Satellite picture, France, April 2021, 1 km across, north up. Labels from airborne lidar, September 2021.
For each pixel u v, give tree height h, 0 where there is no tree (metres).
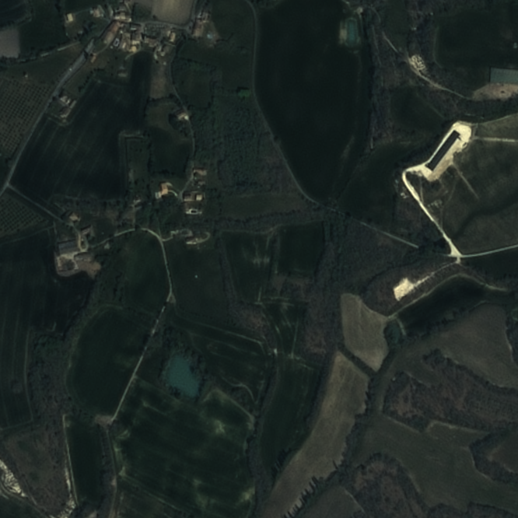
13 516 0
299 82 0
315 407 13
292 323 0
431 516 13
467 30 0
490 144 0
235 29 0
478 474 0
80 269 0
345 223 14
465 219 0
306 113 0
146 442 0
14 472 9
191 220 13
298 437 0
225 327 0
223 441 0
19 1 0
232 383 0
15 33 0
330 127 0
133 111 0
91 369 0
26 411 0
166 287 0
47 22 0
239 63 0
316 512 0
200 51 0
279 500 0
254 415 0
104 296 17
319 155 0
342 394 0
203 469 0
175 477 0
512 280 12
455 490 0
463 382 9
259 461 21
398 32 0
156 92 0
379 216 0
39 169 0
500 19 0
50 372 16
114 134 0
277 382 12
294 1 0
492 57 0
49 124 0
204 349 0
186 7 0
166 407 0
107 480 20
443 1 16
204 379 9
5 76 6
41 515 0
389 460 14
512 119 0
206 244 0
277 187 14
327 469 0
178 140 0
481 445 15
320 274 18
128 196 9
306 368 0
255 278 0
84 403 0
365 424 15
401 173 9
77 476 0
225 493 0
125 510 0
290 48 0
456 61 0
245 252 0
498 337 0
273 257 6
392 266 10
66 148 0
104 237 0
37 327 0
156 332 15
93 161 0
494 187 0
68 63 0
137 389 0
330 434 0
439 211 0
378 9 6
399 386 9
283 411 0
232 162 8
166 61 0
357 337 0
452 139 0
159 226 21
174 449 0
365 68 0
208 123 10
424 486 0
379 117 14
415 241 10
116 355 0
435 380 0
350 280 17
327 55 0
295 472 0
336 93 0
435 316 0
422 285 8
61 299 0
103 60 0
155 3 0
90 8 0
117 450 0
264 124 12
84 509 12
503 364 0
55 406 10
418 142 0
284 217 16
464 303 0
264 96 0
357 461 0
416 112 0
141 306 0
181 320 0
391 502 10
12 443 0
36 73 0
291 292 8
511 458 0
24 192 0
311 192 0
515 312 0
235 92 5
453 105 13
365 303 14
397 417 13
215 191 9
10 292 0
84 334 0
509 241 0
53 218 0
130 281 0
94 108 0
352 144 0
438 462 0
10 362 0
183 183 0
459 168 0
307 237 0
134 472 0
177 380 0
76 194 0
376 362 0
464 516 11
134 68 0
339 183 0
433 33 16
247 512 0
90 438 0
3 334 0
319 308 16
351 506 0
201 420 0
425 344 0
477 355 0
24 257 0
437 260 10
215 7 0
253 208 0
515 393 10
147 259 0
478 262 0
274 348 11
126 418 0
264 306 0
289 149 0
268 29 0
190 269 0
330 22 0
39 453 0
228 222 16
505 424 10
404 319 0
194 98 0
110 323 0
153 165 15
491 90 0
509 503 0
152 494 0
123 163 0
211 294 0
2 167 0
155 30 0
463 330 0
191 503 0
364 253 16
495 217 0
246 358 0
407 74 13
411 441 0
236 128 7
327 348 13
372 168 0
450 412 9
